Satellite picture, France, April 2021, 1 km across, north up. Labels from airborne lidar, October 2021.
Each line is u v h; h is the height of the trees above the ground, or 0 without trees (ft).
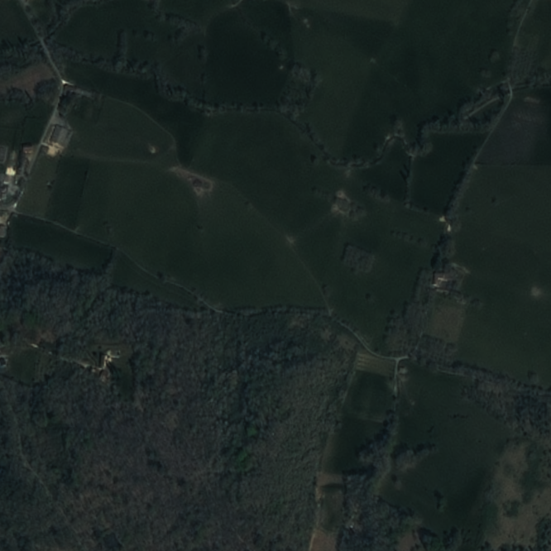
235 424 55
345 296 0
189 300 0
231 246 0
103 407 39
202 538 60
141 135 0
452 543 69
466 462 0
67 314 81
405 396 0
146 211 0
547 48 0
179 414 42
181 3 0
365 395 0
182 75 0
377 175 0
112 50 0
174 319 62
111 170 0
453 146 0
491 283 0
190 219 0
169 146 0
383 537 48
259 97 0
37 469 44
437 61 0
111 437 61
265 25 0
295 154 0
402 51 0
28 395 55
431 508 0
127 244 0
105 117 0
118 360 0
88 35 0
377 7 0
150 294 31
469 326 0
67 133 0
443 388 0
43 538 56
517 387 28
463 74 0
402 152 0
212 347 58
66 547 64
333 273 0
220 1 0
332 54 0
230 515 51
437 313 0
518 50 33
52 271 38
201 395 29
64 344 51
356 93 0
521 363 0
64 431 45
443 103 0
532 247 0
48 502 66
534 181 0
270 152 0
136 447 60
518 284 0
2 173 0
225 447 61
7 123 0
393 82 0
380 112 0
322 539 0
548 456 51
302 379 69
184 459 47
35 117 21
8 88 0
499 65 0
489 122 49
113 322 78
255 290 0
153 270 0
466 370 68
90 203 0
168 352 54
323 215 0
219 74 0
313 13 0
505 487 0
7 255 55
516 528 0
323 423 57
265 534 53
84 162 0
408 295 0
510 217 0
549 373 0
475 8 0
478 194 0
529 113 0
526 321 0
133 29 0
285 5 0
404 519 79
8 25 0
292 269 0
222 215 0
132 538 55
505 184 0
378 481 68
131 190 0
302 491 53
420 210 30
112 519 59
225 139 0
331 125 0
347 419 0
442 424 0
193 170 0
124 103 0
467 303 29
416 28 0
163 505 48
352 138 0
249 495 71
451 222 53
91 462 72
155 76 51
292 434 75
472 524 0
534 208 0
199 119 0
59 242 0
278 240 0
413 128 0
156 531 63
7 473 57
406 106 0
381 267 0
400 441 0
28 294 73
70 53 49
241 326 19
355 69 0
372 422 0
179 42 43
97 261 0
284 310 37
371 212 0
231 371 52
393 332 44
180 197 0
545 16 0
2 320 77
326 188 0
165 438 51
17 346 41
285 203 0
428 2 0
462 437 0
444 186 0
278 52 56
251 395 87
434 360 23
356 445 0
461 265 0
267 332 20
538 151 0
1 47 0
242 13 0
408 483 0
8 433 56
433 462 0
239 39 0
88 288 81
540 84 56
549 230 0
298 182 0
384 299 0
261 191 0
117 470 60
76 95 42
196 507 43
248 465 78
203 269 0
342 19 0
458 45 0
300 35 0
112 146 0
